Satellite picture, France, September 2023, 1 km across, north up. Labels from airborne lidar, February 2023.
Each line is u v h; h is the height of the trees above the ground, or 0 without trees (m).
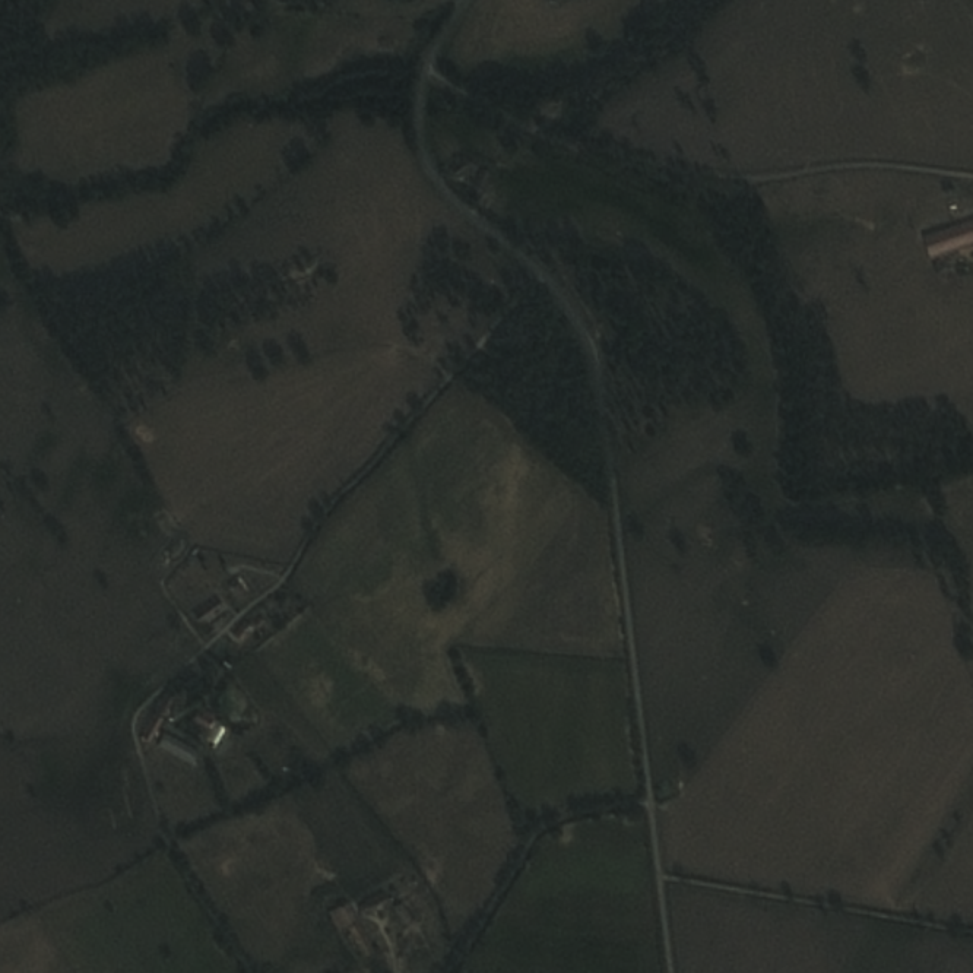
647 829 0
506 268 0
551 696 0
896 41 0
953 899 0
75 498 0
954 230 0
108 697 0
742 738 0
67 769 0
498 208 0
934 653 0
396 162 0
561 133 8
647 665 0
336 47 0
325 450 0
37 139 0
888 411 13
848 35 0
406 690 0
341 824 0
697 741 0
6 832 0
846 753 0
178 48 0
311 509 8
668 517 0
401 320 12
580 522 0
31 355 0
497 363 10
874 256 0
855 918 0
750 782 0
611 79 15
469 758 0
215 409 0
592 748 0
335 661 0
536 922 0
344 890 0
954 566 12
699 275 0
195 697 12
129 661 0
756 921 0
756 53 0
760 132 0
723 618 0
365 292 0
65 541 11
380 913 6
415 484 0
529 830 9
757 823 0
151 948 0
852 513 0
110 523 0
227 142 0
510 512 0
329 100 13
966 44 0
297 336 0
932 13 0
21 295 0
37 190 19
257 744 0
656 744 0
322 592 0
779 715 0
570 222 0
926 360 0
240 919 0
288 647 0
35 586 0
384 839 0
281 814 0
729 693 0
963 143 0
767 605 0
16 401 0
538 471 0
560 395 21
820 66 0
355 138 0
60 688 0
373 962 0
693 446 0
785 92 0
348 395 0
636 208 0
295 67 0
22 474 0
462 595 0
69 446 0
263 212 0
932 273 0
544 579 0
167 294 18
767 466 0
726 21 0
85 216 0
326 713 0
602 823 0
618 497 0
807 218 0
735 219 18
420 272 9
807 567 0
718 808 0
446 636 0
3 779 0
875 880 0
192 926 0
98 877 0
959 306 0
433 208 0
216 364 0
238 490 0
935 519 0
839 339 0
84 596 0
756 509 20
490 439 0
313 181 0
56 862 0
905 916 0
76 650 0
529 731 0
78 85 0
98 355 20
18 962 0
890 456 16
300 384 0
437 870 0
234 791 0
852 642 0
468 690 13
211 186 0
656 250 0
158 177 13
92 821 0
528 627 0
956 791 0
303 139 0
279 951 0
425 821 0
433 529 0
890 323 0
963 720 0
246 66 0
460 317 0
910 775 0
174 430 0
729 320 0
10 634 0
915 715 0
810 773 0
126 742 0
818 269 0
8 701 0
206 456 0
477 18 0
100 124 0
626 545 0
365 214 0
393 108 20
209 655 6
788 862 0
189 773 0
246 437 0
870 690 0
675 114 0
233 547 0
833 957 0
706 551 0
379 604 0
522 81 16
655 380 21
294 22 0
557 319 11
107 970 0
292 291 12
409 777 0
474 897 0
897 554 0
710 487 0
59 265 0
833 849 0
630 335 14
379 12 0
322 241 0
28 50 13
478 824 0
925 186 0
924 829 0
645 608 0
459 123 0
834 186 0
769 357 0
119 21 0
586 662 0
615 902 0
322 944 0
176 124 0
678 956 0
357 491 0
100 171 0
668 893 0
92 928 0
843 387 0
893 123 0
